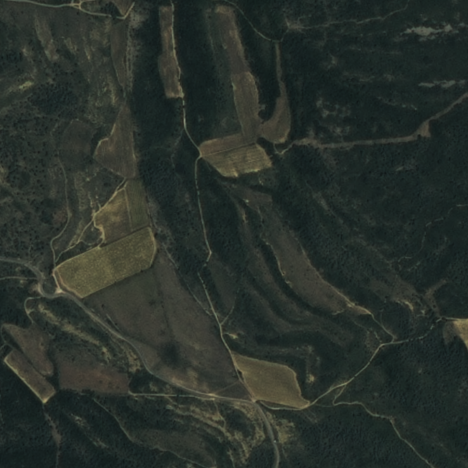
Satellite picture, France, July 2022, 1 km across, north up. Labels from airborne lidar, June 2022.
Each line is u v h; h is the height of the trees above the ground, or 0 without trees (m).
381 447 10
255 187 6
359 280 7
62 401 6
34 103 7
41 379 0
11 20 0
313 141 0
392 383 11
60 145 0
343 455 9
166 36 0
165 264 0
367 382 8
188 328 0
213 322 0
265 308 0
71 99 7
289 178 7
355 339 0
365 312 0
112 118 0
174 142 0
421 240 0
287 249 0
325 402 0
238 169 0
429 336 9
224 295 0
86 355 0
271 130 0
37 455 6
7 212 0
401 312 9
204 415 0
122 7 0
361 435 9
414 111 6
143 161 7
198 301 0
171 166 6
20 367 0
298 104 9
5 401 5
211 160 0
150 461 9
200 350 0
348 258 7
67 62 0
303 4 6
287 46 6
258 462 8
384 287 0
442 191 8
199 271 8
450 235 0
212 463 0
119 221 0
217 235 10
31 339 0
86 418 6
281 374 0
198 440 0
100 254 0
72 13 0
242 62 0
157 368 0
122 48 0
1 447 8
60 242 0
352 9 6
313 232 11
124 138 0
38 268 0
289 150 6
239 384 0
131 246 0
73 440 8
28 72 0
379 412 8
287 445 0
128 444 6
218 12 0
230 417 6
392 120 6
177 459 0
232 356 0
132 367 0
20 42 0
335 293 0
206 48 10
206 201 0
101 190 0
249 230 0
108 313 0
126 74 0
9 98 0
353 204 0
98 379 0
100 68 0
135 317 0
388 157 10
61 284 0
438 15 0
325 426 12
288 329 0
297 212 6
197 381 0
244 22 8
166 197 10
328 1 6
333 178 7
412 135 0
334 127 0
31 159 0
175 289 0
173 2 6
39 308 0
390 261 0
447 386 7
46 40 0
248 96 0
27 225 0
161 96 9
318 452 9
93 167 0
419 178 8
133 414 6
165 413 7
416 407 8
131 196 0
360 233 7
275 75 10
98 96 0
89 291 0
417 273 8
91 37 0
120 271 0
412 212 6
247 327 0
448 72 0
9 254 7
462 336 0
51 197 0
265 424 0
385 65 0
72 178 0
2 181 0
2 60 10
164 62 0
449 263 8
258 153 0
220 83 8
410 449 7
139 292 0
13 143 0
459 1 0
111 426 7
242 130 0
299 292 0
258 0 7
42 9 0
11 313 10
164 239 0
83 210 0
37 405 7
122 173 0
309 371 0
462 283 8
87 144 0
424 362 9
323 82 6
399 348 10
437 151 5
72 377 0
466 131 8
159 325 0
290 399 0
